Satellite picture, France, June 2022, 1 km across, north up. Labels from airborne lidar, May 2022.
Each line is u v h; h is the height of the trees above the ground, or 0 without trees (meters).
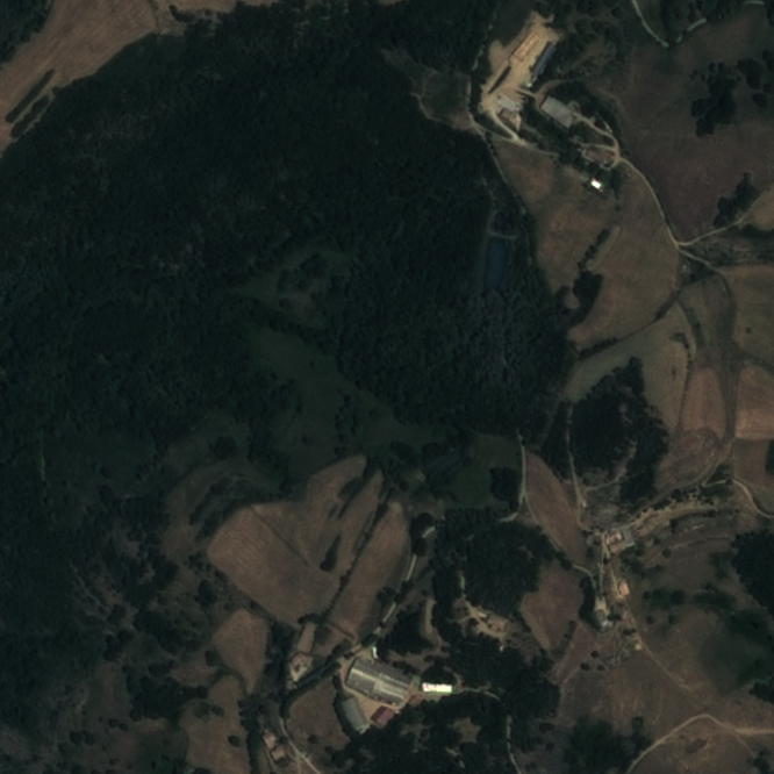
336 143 13
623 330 0
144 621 18
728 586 0
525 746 9
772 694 11
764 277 0
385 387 24
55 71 0
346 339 21
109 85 10
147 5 0
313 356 0
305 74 16
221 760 0
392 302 19
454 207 14
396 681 0
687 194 0
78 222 18
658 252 0
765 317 0
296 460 0
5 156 7
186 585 0
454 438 7
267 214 17
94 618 7
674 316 0
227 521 0
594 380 0
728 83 12
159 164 13
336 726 0
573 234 0
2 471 16
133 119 13
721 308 0
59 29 0
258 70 10
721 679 0
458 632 9
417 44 13
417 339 20
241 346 31
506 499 14
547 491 0
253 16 8
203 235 14
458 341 18
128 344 23
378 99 14
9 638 11
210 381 15
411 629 14
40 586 14
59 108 11
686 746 0
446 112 0
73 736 14
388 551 0
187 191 14
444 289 16
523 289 8
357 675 0
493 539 10
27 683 7
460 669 8
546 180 0
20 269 20
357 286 15
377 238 22
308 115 14
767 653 0
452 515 16
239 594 0
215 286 24
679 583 0
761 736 0
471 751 11
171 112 14
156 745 0
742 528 0
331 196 24
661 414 0
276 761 6
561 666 0
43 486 9
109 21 0
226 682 0
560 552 9
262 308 28
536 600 0
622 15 11
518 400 14
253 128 13
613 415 14
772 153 0
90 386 23
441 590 15
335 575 0
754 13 0
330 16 7
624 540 0
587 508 0
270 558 0
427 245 19
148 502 15
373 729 10
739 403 0
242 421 9
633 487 12
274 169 12
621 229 0
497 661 8
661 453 13
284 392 16
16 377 18
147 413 19
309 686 14
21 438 18
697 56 0
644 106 0
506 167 0
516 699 14
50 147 16
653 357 0
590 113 8
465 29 10
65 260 18
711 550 0
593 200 0
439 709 9
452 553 9
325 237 7
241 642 0
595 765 6
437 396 17
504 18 0
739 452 0
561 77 7
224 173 11
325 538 0
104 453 0
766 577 16
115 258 28
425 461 8
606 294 0
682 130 0
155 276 26
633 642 0
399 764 13
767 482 0
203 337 21
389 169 17
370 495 0
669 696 0
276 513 0
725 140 0
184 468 0
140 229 15
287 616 0
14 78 0
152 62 9
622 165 0
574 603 0
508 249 7
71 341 22
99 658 0
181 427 17
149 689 15
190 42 11
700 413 0
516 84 0
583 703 0
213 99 16
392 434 0
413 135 9
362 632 0
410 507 0
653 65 0
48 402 21
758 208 0
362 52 20
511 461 0
